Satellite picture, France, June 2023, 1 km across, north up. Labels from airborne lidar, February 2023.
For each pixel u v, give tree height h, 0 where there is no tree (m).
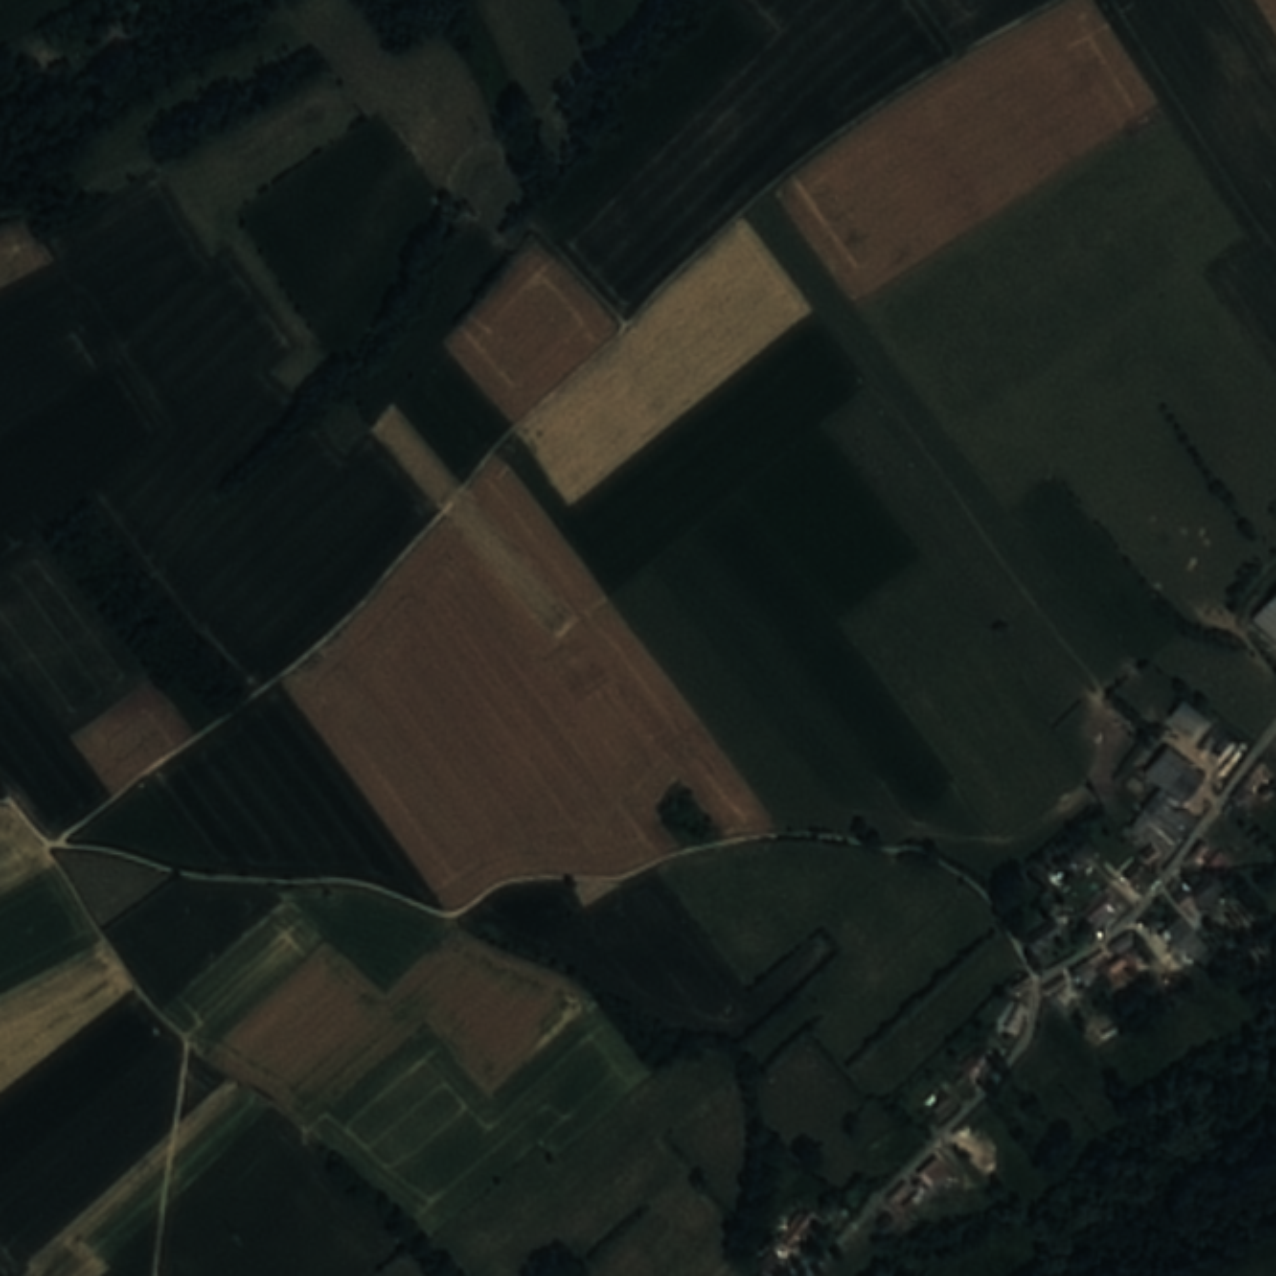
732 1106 0
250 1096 0
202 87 0
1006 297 0
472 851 0
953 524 0
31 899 0
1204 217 0
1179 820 0
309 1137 0
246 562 0
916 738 0
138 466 0
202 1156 0
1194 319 0
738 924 0
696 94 0
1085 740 0
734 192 0
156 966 0
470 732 0
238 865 0
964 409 0
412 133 0
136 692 0
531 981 0
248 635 0
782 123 0
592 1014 0
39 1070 0
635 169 0
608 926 0
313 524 0
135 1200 0
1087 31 0
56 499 0
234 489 8
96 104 27
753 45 0
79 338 0
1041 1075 0
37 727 0
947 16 0
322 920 0
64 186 12
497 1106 0
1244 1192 29
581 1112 0
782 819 0
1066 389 0
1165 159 0
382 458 0
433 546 0
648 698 0
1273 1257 0
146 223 0
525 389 0
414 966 0
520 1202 0
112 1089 0
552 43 0
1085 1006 0
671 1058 10
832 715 0
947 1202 0
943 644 0
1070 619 0
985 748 0
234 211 0
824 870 0
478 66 0
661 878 0
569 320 0
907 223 0
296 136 0
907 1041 0
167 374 0
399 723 0
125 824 0
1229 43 0
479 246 0
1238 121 0
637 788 0
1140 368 0
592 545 0
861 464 0
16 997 0
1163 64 0
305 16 0
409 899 0
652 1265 0
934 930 0
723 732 0
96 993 0
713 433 0
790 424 0
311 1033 0
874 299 0
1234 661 0
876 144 0
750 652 0
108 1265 0
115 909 0
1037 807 0
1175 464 0
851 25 0
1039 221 0
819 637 0
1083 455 0
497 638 0
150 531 0
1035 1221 16
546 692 0
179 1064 0
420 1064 0
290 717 0
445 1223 0
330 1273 0
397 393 0
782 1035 0
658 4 21
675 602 0
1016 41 0
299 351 0
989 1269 0
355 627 0
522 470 0
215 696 15
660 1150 0
